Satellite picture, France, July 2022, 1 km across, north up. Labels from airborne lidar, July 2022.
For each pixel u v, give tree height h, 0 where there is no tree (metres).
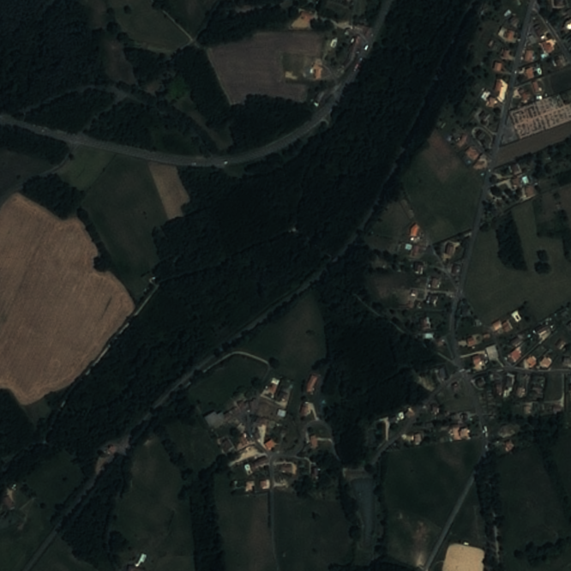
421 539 0
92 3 0
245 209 16
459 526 0
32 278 0
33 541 0
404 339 15
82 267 0
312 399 0
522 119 0
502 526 15
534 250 0
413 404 16
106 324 0
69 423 17
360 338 11
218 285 20
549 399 0
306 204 16
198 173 8
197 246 15
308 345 0
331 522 0
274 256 17
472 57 11
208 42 17
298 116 12
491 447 10
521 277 0
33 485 0
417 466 0
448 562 0
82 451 15
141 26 0
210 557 15
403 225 0
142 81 17
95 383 7
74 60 19
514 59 0
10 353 0
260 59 0
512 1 0
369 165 13
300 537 0
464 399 0
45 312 0
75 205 12
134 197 0
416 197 0
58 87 21
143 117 7
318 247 30
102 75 14
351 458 16
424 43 16
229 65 0
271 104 11
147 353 21
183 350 20
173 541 0
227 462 7
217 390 0
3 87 8
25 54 23
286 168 15
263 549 0
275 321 12
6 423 17
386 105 13
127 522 0
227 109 14
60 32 24
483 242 0
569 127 0
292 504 0
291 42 0
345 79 0
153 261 0
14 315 0
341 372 20
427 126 16
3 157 0
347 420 10
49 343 0
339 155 17
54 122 16
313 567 0
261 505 0
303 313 0
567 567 0
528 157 14
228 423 0
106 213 0
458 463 0
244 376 0
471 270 0
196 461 0
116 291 0
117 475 8
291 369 0
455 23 22
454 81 21
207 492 14
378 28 0
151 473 0
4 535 0
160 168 0
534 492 0
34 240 0
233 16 17
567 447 0
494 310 0
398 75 20
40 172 0
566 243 9
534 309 0
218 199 13
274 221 13
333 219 20
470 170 0
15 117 18
